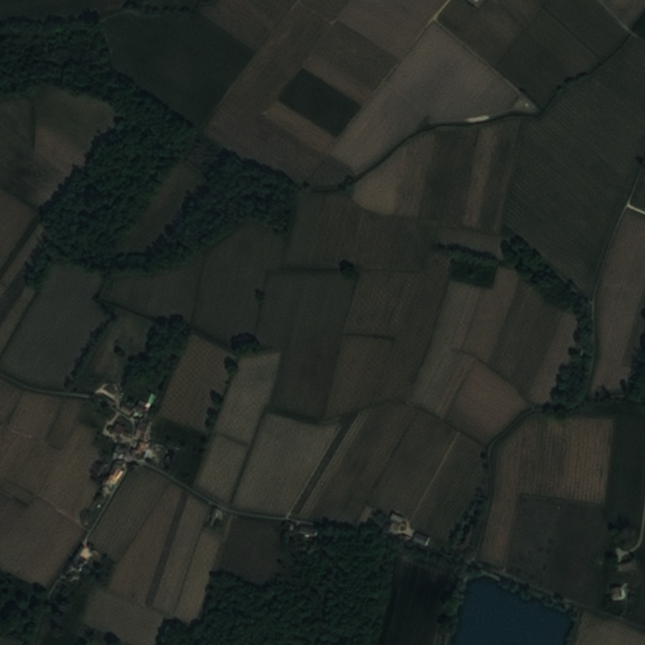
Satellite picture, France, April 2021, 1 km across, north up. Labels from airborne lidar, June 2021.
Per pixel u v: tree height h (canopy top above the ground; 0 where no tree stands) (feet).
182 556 0
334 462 0
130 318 0
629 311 0
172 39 0
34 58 25
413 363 0
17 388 0
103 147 75
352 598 59
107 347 0
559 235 0
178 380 0
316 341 0
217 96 0
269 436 0
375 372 0
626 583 0
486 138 0
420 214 0
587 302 55
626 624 0
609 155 0
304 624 50
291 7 0
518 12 0
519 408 0
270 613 66
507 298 0
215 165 22
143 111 85
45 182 0
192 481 0
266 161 0
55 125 0
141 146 77
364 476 0
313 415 0
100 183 75
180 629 58
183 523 0
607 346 0
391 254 0
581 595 0
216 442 0
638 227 0
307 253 0
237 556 0
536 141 0
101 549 0
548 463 0
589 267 0
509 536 0
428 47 0
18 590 0
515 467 0
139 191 87
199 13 0
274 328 0
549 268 30
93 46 32
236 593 58
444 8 0
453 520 0
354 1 0
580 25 0
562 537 0
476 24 0
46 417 0
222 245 0
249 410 0
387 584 63
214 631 55
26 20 45
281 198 52
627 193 0
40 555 0
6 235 0
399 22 0
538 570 0
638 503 0
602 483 0
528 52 0
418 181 0
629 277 0
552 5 0
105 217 109
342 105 0
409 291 0
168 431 0
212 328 0
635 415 0
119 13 0
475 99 0
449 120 0
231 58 0
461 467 0
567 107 0
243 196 70
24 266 0
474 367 0
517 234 0
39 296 0
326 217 0
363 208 0
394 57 0
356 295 0
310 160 0
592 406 74
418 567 0
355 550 66
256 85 0
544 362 0
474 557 25
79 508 0
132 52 0
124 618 0
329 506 0
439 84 0
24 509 0
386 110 0
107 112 0
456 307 0
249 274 0
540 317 0
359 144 0
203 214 101
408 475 0
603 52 0
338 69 0
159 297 0
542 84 0
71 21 39
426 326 0
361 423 0
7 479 0
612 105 0
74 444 0
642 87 0
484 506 45
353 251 0
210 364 0
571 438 0
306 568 39
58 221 80
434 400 0
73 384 53
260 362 0
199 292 0
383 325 0
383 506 0
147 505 0
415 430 0
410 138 0
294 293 0
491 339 0
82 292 0
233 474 0
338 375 0
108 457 25
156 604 0
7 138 0
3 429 0
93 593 0
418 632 0
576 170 0
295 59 0
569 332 0
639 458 0
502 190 0
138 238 0
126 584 0
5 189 0
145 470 0
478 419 0
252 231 0
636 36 0
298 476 0
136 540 0
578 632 0
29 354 0
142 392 23
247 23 0
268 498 0
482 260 46
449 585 0
